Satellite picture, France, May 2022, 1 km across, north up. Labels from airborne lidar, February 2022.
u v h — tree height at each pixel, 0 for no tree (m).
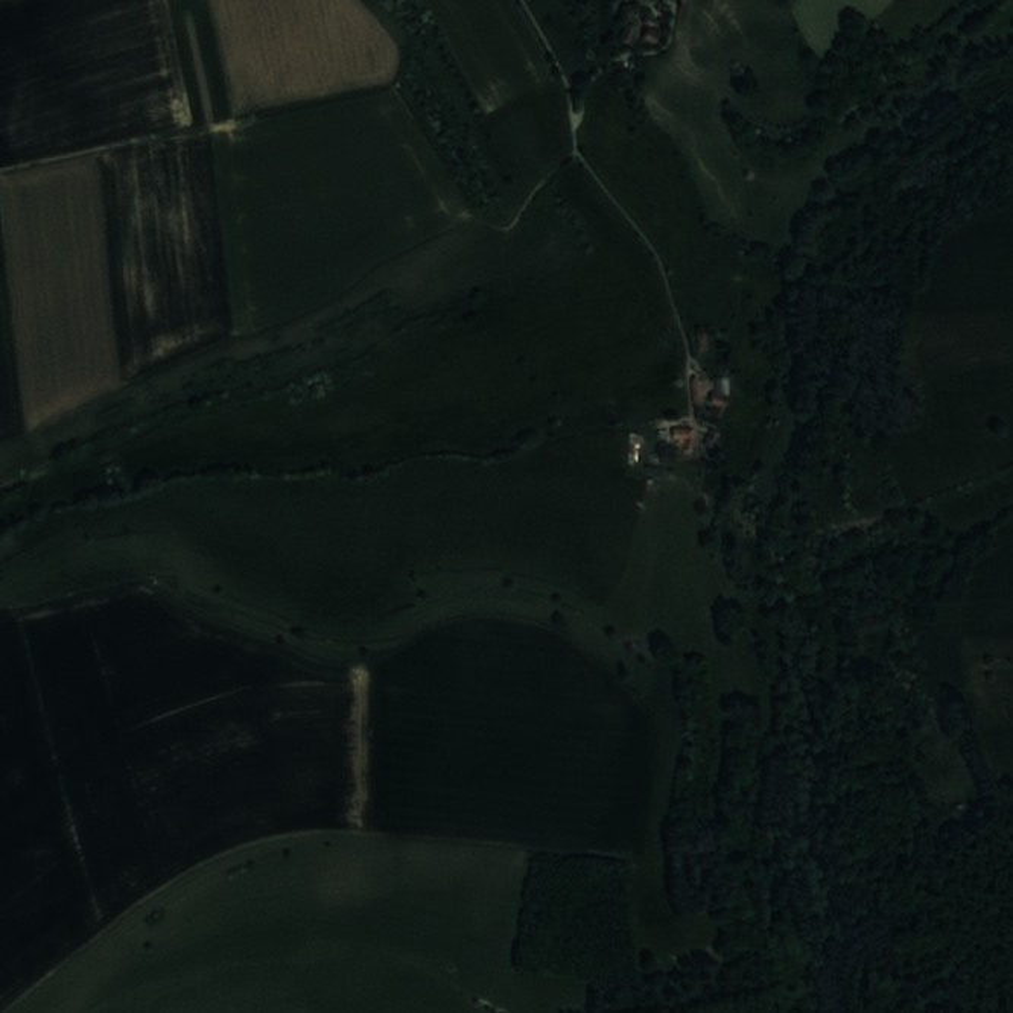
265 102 0
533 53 0
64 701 0
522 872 0
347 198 0
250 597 0
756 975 22
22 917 0
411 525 0
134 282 0
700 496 0
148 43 0
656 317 0
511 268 0
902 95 20
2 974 0
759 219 0
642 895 0
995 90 0
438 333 0
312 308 0
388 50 0
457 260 0
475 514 0
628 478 0
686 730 8
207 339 0
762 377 0
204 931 0
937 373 0
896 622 15
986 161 19
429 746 0
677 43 0
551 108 0
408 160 0
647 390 0
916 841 23
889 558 19
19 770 0
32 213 0
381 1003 0
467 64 0
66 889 0
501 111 0
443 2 0
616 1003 16
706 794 8
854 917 24
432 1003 0
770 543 18
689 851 24
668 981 13
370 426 0
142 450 0
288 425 0
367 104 0
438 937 0
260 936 0
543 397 0
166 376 0
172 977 0
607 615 0
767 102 0
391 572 0
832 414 25
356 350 0
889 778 24
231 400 0
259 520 0
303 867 0
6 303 0
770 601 15
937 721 0
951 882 29
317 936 0
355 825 0
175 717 0
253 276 0
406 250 0
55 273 0
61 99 0
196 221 0
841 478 13
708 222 8
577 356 0
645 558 0
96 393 0
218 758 0
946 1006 30
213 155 0
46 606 0
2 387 0
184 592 0
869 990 29
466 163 8
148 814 0
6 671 0
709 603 0
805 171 0
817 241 16
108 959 0
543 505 0
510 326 0
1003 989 27
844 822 30
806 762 24
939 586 18
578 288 0
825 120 9
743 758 27
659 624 0
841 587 21
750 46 0
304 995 0
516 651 0
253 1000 0
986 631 0
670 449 14
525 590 0
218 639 0
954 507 0
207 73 0
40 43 0
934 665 0
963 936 24
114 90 0
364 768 0
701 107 0
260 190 0
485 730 0
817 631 10
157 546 0
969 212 6
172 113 0
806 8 0
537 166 0
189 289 0
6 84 0
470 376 0
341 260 0
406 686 0
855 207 18
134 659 0
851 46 22
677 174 0
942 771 0
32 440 0
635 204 0
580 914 15
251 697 0
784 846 21
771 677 10
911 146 20
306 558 0
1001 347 0
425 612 0
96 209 0
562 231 0
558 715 0
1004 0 8
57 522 0
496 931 0
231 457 0
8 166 0
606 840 0
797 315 27
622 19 12
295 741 0
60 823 0
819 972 25
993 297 0
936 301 0
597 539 0
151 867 0
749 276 0
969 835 22
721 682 0
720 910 23
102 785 0
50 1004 0
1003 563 0
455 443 0
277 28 0
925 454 0
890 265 21
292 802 0
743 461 0
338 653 0
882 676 22
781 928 24
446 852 0
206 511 0
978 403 0
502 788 0
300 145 0
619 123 0
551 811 0
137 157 0
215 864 0
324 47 0
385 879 0
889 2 0
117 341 0
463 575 0
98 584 0
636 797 0
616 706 0
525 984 0
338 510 0
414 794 0
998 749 0
